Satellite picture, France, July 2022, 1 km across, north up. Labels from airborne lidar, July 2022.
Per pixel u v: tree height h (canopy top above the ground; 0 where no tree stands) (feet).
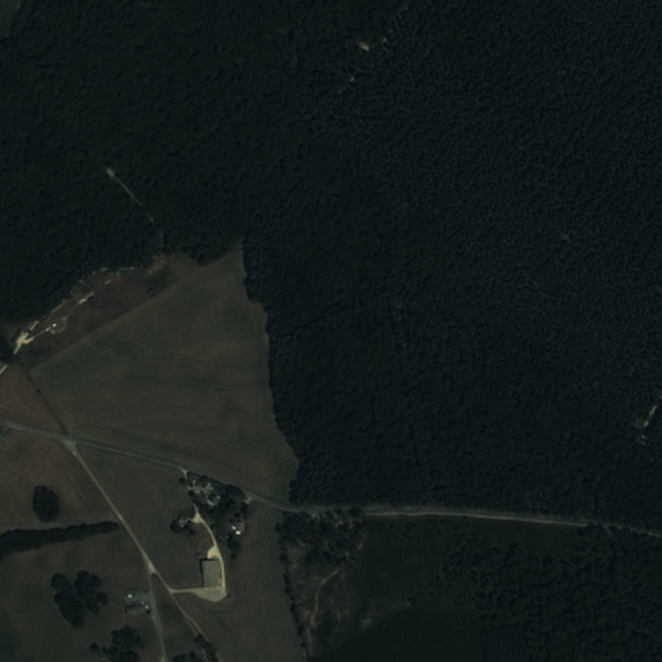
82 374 0
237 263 0
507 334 71
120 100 80
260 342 0
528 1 85
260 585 0
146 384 0
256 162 75
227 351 0
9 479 0
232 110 88
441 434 79
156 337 0
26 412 0
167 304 0
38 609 0
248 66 64
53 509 43
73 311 0
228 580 0
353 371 92
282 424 54
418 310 73
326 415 85
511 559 73
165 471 0
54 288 71
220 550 0
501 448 87
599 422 84
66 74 85
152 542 0
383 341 69
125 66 71
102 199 69
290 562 83
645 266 91
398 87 69
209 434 0
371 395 79
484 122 70
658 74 68
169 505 0
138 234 77
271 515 0
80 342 0
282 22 69
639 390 78
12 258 77
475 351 74
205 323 0
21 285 76
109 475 0
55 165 76
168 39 84
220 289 0
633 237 64
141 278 0
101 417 0
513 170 86
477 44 62
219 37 83
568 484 83
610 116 52
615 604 69
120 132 69
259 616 0
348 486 93
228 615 0
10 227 77
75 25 70
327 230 84
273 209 94
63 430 0
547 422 92
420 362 71
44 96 77
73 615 53
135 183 75
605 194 49
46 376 0
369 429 82
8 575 0
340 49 35
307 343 76
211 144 83
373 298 99
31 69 81
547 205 72
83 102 71
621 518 78
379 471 79
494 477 83
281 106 92
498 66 68
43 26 80
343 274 81
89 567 0
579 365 79
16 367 0
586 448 76
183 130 83
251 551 0
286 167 90
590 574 86
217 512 40
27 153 81
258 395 0
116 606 0
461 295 61
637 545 63
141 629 0
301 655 0
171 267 0
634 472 89
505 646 42
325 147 76
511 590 74
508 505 88
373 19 83
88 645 0
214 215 91
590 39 76
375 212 54
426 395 77
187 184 89
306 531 91
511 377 72
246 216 92
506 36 64
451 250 70
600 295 70
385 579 0
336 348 83
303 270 75
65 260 86
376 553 0
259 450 0
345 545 92
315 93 106
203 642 53
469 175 75
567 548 0
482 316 60
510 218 62
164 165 75
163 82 75
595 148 81
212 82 65
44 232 84
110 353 0
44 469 0
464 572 20
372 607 0
